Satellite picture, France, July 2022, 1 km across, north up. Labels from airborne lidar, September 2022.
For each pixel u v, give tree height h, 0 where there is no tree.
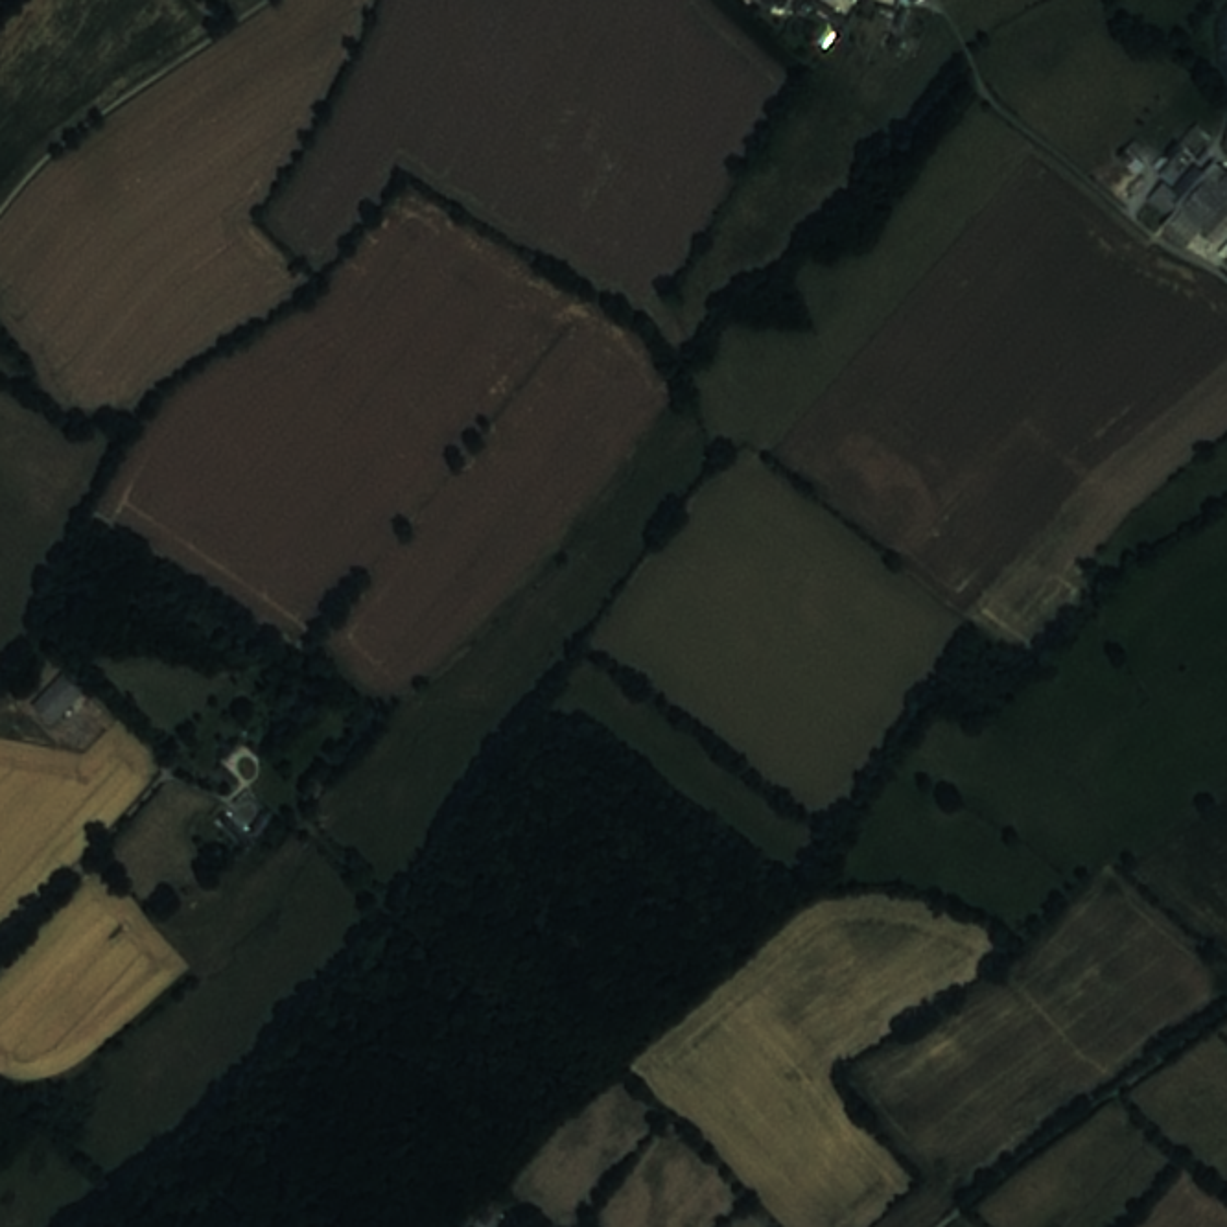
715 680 0
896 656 0
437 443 0
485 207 0
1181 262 0
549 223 0
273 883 0
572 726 18
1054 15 0
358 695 13
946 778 0
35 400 12
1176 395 0
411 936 16
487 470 0
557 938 26
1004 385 0
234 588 0
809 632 0
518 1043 19
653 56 0
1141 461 0
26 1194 0
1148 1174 0
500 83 0
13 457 0
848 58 0
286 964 0
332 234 0
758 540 0
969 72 8
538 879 25
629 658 0
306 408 0
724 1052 0
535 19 0
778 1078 0
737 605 0
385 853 0
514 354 0
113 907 0
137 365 0
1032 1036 0
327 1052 25
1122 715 0
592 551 0
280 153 0
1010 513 0
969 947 0
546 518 0
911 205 0
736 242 0
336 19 0
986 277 0
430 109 0
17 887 0
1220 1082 0
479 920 27
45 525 0
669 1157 0
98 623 20
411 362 0
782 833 0
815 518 0
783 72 0
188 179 0
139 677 0
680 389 23
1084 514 0
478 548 0
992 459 0
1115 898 0
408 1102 25
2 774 0
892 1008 0
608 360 0
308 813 19
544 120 0
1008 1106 0
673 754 0
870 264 0
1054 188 0
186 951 0
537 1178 0
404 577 0
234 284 0
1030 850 0
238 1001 0
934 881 0
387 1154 25
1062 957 0
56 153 13
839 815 18
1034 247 0
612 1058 21
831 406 0
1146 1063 11
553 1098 19
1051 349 0
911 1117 0
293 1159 29
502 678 0
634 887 28
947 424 0
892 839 0
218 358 11
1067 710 0
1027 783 0
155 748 14
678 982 26
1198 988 0
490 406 0
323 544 0
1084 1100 12
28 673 19
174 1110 0
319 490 0
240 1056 0
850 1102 16
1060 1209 0
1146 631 0
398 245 0
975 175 0
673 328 0
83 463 0
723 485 0
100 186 0
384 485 0
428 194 10
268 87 0
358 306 0
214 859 12
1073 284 0
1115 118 0
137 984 0
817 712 0
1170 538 6
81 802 0
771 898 24
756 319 20
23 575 0
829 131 0
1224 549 0
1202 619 0
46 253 0
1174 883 0
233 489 0
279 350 0
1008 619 0
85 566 16
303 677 13
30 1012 0
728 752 18
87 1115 5
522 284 0
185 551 0
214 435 0
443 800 0
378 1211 25
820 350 0
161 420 0
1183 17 0
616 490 0
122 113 0
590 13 0
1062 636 19
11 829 0
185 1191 27
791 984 0
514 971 23
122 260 0
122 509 0
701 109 0
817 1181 0
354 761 11
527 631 0
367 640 0
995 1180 15
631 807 29
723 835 16
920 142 34
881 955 0
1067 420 0
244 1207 24
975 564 0
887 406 0
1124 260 0
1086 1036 0
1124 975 0
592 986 27
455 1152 22
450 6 0
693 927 26
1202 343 0
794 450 0
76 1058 0
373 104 0
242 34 0
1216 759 0
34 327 0
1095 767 0
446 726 0
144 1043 0
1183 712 0
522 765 25
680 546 0
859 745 0
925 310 0
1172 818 0
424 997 29
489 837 25
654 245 0
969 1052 0
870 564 0
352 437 0
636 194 0
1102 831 0
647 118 0
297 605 0
